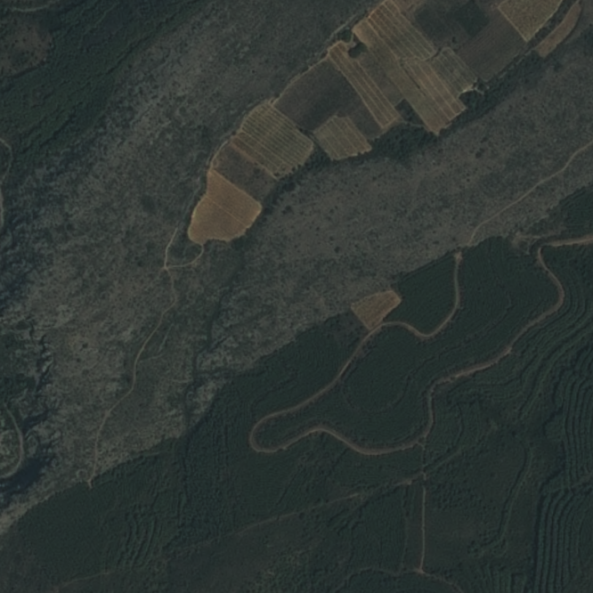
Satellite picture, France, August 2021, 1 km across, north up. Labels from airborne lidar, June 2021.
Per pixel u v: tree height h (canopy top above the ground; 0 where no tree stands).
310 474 8
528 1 0
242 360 0
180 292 0
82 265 0
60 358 0
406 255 0
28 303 0
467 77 0
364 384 5
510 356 7
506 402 9
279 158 0
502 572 13
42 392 6
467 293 6
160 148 0
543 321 7
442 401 9
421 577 8
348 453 7
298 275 0
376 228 0
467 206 0
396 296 0
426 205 0
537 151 0
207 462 11
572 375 10
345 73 0
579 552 7
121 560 9
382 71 0
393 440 7
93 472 0
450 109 0
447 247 0
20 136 7
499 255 7
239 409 6
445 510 8
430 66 0
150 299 0
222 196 0
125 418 0
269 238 0
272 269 0
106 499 5
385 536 6
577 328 13
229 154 0
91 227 0
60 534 6
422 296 6
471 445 14
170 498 9
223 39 0
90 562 6
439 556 0
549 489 14
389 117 0
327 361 6
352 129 0
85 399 0
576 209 6
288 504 6
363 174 0
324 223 0
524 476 12
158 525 12
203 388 0
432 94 0
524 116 0
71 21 12
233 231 0
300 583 11
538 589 10
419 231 0
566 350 16
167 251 0
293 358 5
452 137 0
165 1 6
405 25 0
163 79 0
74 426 0
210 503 11
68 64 8
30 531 5
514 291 6
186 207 0
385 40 0
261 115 0
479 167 0
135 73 0
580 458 11
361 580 7
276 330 0
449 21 0
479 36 0
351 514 9
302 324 0
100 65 13
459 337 6
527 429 11
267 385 7
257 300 0
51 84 10
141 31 9
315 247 0
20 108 10
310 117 0
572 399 11
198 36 0
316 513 11
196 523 10
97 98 13
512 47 0
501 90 6
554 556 11
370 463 8
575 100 0
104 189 0
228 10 0
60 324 0
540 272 9
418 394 7
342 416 6
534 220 0
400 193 0
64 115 15
